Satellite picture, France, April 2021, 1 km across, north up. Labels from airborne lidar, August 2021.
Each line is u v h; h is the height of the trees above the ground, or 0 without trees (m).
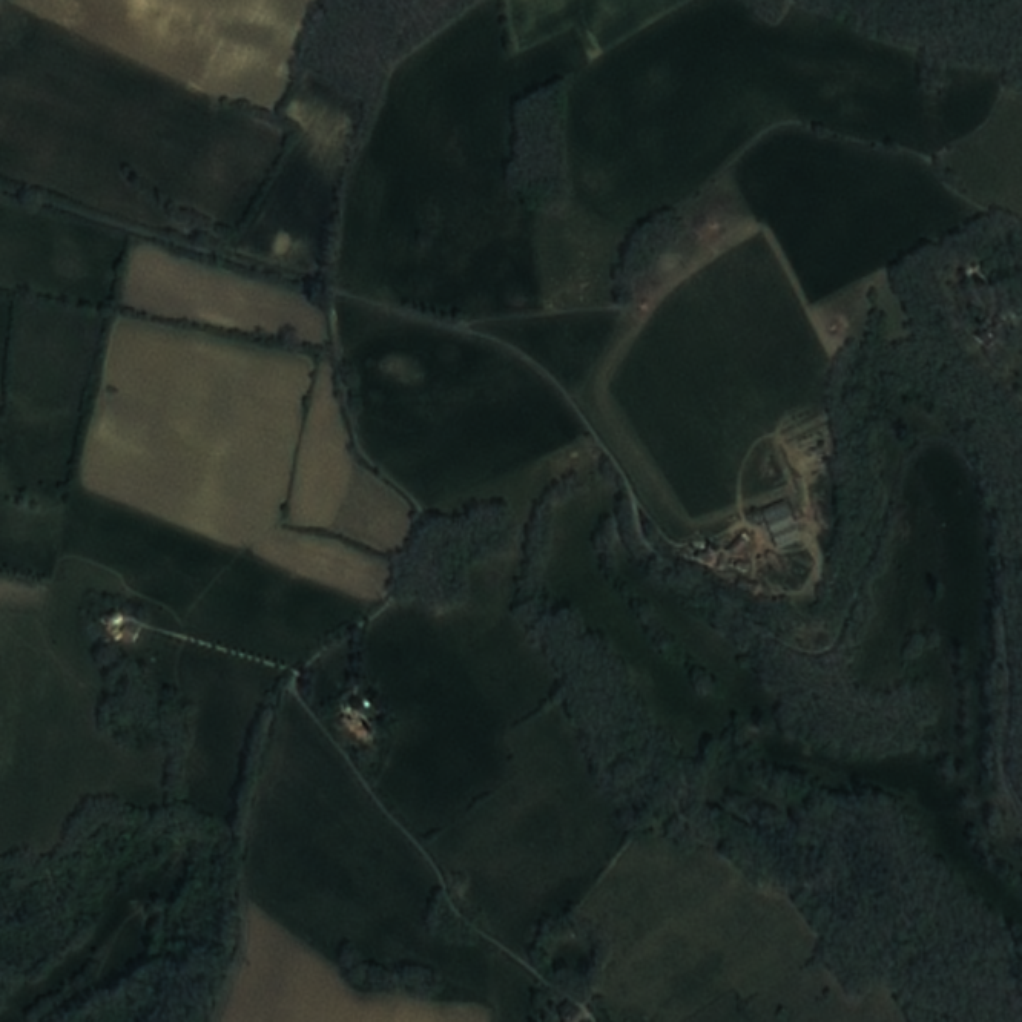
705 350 0
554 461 0
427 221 0
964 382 24
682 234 14
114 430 0
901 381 25
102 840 22
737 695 0
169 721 19
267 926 0
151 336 0
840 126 0
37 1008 10
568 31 0
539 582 19
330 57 18
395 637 0
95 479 0
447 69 0
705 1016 0
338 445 0
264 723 15
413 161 0
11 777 0
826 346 0
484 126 0
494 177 0
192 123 0
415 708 0
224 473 0
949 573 0
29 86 0
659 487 0
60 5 0
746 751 14
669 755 27
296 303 0
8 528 0
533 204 17
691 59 0
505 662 0
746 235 0
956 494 0
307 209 0
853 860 19
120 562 0
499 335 0
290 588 0
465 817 0
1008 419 21
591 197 0
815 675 17
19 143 0
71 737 0
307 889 0
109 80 0
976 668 0
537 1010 10
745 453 0
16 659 0
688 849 14
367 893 0
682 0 0
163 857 24
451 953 0
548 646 16
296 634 0
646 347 0
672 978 0
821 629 10
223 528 0
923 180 0
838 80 0
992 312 10
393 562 11
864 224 0
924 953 26
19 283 0
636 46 0
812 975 0
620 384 0
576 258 0
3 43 0
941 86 19
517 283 0
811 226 0
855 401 27
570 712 16
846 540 20
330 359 7
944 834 0
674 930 0
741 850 19
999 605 10
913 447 12
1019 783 13
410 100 0
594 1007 8
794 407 0
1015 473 16
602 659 27
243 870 0
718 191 0
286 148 9
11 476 0
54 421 0
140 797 0
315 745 0
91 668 0
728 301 0
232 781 0
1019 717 15
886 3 20
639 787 23
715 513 0
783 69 0
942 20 19
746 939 0
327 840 0
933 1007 26
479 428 0
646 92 0
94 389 6
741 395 0
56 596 0
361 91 20
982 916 25
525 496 0
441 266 0
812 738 24
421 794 0
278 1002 0
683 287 0
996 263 20
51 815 0
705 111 0
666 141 0
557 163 18
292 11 0
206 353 0
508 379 0
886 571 26
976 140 0
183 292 0
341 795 0
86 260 0
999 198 0
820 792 27
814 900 21
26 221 0
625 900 0
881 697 18
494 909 0
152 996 15
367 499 0
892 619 0
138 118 0
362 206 0
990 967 26
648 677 0
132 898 0
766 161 0
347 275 0
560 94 13
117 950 0
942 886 21
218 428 0
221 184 0
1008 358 13
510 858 0
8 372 6
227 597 0
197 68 0
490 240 0
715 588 8
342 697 8
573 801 0
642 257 17
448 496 0
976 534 0
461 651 0
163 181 0
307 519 0
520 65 0
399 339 0
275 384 0
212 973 19
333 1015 0
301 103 0
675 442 0
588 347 0
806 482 0
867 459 26
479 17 0
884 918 23
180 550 0
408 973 17
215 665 0
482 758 0
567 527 0
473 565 14
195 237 6
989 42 21
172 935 7
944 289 18
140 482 0
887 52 0
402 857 0
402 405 0
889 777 0
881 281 0
